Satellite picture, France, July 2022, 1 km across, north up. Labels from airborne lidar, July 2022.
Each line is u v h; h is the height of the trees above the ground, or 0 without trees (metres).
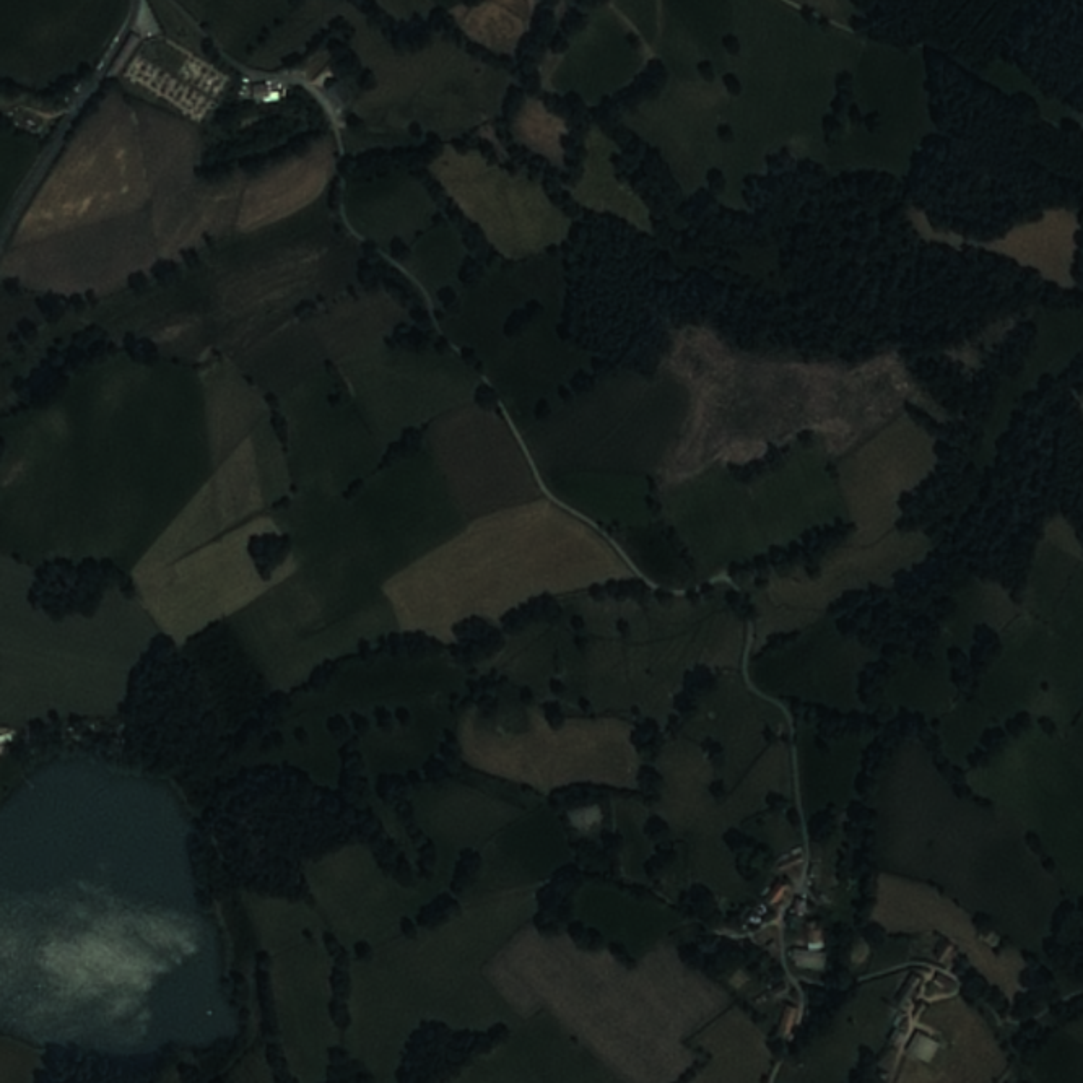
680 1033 0
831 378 0
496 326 0
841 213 17
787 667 0
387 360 0
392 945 0
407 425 0
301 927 0
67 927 0
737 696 0
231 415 0
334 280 0
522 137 0
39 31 0
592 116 21
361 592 0
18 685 0
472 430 0
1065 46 32
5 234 0
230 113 9
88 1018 0
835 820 17
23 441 0
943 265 19
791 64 0
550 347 0
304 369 0
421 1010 0
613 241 18
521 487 0
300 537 0
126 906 0
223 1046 10
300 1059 0
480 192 0
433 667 0
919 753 0
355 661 8
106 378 0
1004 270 23
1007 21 7
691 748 0
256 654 0
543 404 10
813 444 13
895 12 26
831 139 16
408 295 22
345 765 18
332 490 0
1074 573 0
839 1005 29
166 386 0
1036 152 8
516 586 0
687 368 0
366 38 0
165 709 19
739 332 21
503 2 0
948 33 7
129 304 0
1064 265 0
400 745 0
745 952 18
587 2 11
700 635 0
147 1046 0
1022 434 16
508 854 0
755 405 0
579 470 0
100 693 0
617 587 12
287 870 17
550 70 0
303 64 10
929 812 0
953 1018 0
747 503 0
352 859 0
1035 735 0
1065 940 15
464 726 0
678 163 0
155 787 0
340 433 0
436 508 0
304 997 0
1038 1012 14
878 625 20
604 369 23
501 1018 0
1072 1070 0
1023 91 0
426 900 0
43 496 0
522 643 0
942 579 30
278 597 0
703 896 24
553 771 0
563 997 0
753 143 0
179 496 0
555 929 14
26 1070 0
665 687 0
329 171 0
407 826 15
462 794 0
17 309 0
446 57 0
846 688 0
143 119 0
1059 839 0
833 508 0
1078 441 18
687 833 0
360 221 0
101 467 0
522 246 0
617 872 10
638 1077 0
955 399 22
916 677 0
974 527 18
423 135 16
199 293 0
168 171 0
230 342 0
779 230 25
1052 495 14
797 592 0
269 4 0
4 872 0
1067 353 0
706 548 0
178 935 0
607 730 0
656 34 0
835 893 0
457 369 0
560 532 0
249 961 0
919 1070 0
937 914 0
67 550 0
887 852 0
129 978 0
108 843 0
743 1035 0
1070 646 0
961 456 15
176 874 0
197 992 0
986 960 0
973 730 0
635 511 0
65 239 0
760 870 18
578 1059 0
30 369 0
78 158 0
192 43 0
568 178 14
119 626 0
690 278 10
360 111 0
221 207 0
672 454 0
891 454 0
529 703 16
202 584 0
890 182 12
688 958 20
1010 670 0
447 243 0
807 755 0
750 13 0
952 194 14
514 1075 0
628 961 14
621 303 26
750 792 0
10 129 8
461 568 0
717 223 17
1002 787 0
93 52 0
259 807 20
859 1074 13
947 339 26
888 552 0
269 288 0
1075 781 0
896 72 0
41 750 24
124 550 0
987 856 0
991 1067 0
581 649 15
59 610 16
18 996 0
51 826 0
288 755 0
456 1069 12
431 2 0
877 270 9
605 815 8
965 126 27
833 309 17
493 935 0
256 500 0
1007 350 15
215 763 23
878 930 20
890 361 0
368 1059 0
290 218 0
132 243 0
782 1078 0
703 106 0
